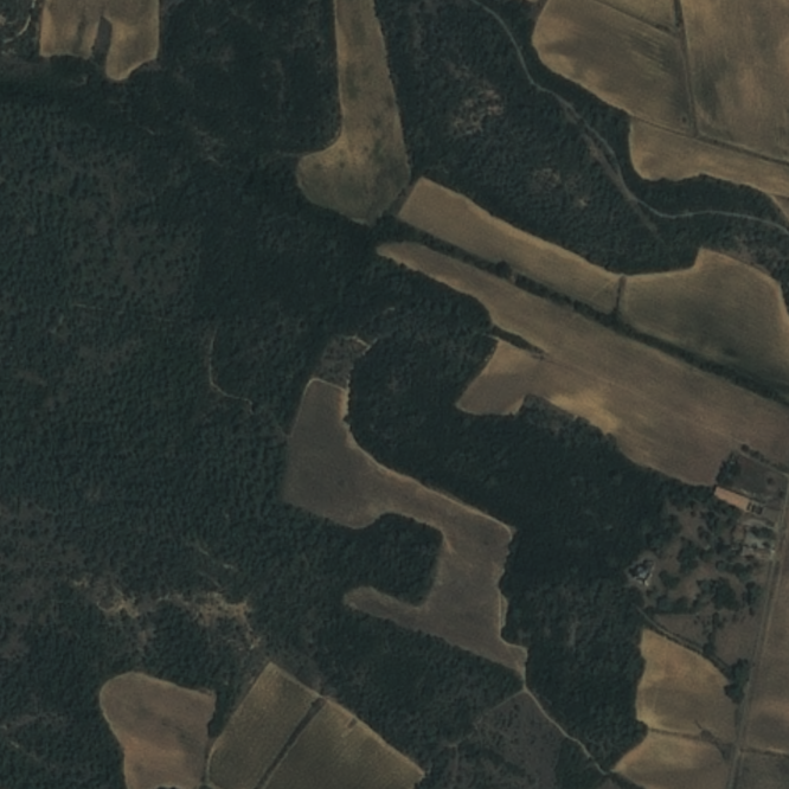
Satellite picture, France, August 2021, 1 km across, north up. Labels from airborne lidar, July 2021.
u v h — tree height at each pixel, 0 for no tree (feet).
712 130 0
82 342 32
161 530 37
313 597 23
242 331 27
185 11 17
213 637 27
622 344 0
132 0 0
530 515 26
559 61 0
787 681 0
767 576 0
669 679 0
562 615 24
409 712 21
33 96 28
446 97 35
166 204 24
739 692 55
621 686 21
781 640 0
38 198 42
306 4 20
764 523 0
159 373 30
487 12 17
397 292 20
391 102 0
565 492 22
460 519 0
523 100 19
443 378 28
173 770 0
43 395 18
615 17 0
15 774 56
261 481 39
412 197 0
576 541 56
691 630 0
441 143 20
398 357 29
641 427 0
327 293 25
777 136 0
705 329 0
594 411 0
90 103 30
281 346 44
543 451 21
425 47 18
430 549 60
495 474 24
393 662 21
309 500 0
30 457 52
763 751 0
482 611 0
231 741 0
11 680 46
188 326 23
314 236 26
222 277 23
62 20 0
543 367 0
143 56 0
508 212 26
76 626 33
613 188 31
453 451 31
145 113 36
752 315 0
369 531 26
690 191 25
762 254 20
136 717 0
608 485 27
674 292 0
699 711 0
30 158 43
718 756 0
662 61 0
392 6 33
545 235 25
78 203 36
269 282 24
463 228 0
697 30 0
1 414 31
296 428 0
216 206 20
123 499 28
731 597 20
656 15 0
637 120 0
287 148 25
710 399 0
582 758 18
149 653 44
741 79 0
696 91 0
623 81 0
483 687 33
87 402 37
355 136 0
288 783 0
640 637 33
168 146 29
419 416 48
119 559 42
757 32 0
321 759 0
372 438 21
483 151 40
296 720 0
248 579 27
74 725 29
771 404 0
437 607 0
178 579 17
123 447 28
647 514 40
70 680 22
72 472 22
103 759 18
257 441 29
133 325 36
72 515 36
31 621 23
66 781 41
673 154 0
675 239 26
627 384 0
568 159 19
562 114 51
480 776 26
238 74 21
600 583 57
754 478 0
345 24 0
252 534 47
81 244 44
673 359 0
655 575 0
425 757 36
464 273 0
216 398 18
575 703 36
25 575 21
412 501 0
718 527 68
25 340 35
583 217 34
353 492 0
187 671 43
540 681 29
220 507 44
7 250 42
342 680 25
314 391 0
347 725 0
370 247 56
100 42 0
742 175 0
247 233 20
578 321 0
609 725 32
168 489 48
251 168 24
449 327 48
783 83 0
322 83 21
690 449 0
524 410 20
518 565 39
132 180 24
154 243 19
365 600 0
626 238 17
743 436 0
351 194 0
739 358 0
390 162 0
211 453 42
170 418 32
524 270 0
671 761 0
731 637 0
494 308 0
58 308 34
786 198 0
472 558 0
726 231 36
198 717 0
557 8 0
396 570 28
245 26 18
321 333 21
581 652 31
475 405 0
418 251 0
